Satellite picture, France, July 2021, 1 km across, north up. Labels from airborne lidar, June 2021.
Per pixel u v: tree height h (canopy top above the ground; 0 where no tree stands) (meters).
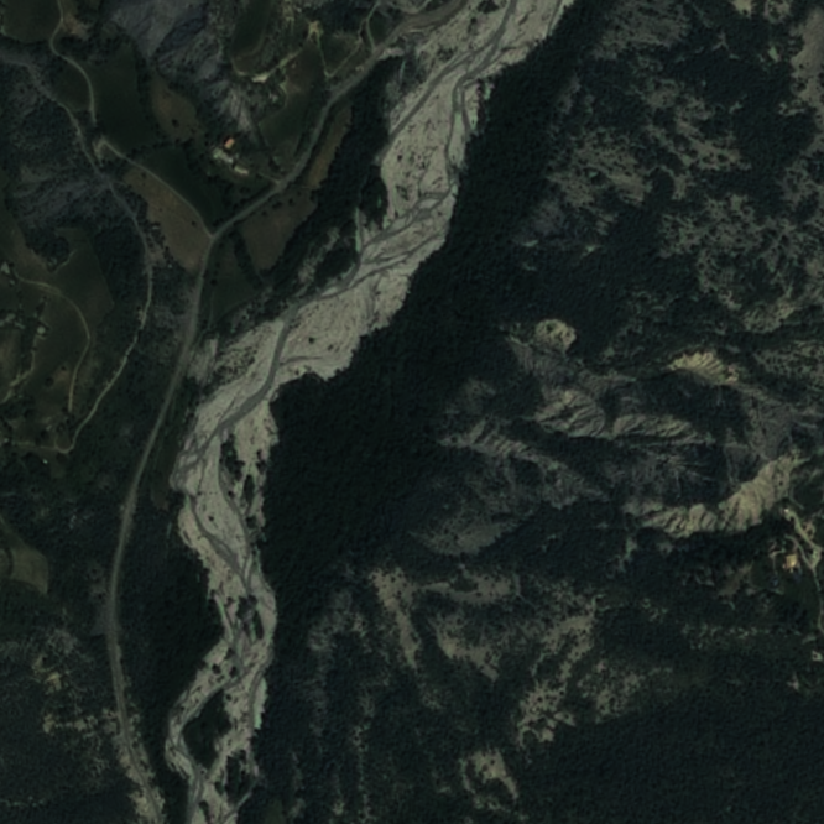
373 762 6
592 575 6
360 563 11
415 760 7
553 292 7
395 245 0
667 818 9
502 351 7
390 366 11
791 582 7
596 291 11
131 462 6
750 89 6
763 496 0
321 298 0
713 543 27
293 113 0
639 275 6
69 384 0
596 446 8
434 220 0
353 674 6
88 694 7
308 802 15
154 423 8
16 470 13
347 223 9
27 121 8
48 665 7
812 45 0
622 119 6
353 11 11
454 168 8
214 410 0
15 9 0
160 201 0
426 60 0
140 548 6
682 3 7
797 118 6
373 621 7
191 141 6
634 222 6
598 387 0
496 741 7
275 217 0
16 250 0
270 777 10
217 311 0
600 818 6
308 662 6
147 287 9
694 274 7
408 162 0
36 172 6
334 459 13
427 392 11
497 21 0
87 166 6
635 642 10
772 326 0
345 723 6
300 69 0
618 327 8
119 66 0
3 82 9
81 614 6
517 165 7
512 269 8
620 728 9
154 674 13
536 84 13
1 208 0
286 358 0
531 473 7
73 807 10
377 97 12
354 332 0
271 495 11
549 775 9
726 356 6
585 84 6
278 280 7
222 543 0
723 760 8
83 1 8
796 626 7
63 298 0
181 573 9
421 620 7
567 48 10
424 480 9
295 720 8
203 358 0
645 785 11
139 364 12
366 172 11
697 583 11
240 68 0
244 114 0
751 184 6
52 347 0
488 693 7
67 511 7
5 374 0
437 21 0
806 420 0
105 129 7
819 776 8
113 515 8
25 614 13
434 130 0
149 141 0
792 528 12
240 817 7
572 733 8
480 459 8
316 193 10
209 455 0
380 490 11
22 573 0
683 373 0
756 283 6
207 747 6
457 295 13
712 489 7
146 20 0
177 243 0
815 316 7
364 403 14
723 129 7
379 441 11
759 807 9
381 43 0
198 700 0
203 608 11
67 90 0
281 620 9
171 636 13
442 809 7
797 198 0
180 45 0
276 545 12
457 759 8
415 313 9
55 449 0
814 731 8
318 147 11
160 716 9
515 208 8
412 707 6
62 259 6
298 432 13
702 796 7
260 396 0
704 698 7
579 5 6
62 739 5
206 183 8
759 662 8
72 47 10
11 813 7
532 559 6
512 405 7
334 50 0
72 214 9
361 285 0
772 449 0
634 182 0
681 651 8
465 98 0
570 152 7
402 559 6
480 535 0
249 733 0
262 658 0
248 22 0
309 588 10
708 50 6
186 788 10
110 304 0
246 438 0
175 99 0
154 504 6
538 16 0
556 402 0
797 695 8
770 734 7
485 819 7
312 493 13
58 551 10
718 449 6
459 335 8
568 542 8
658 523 0
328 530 10
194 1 0
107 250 9
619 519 7
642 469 0
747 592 7
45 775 7
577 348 7
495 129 11
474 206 11
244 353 0
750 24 6
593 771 9
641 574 8
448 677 6
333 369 0
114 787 10
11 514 6
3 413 7
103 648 8
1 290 0
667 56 6
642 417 0
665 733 9
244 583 0
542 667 6
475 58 0
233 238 10
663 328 6
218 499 0
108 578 6
